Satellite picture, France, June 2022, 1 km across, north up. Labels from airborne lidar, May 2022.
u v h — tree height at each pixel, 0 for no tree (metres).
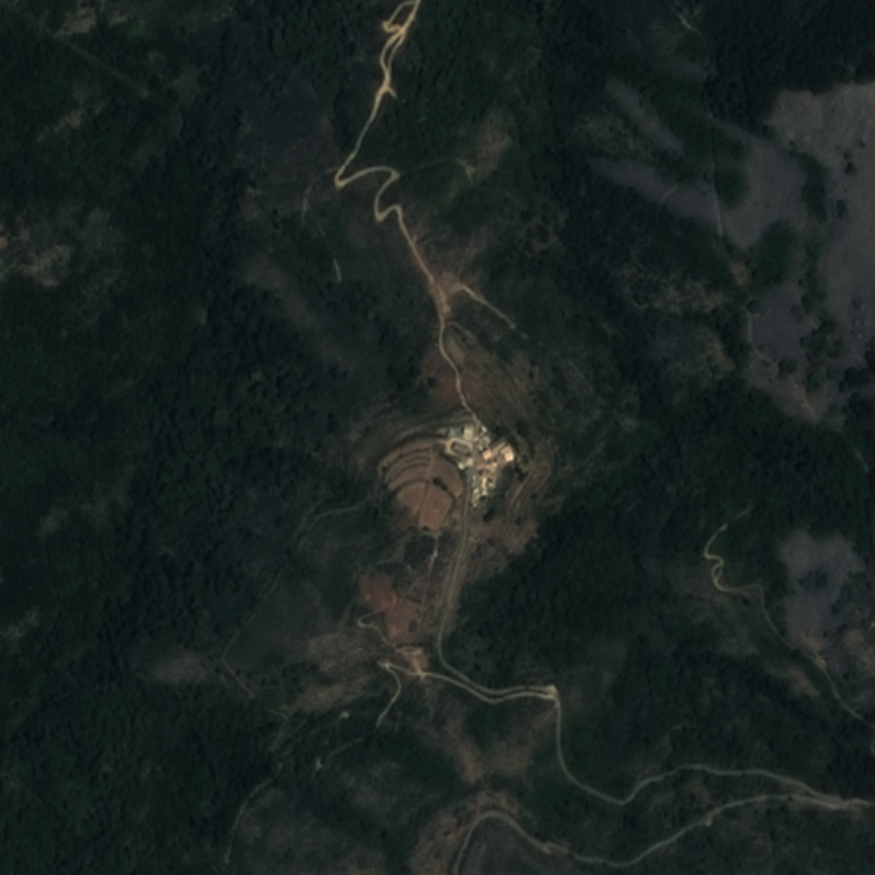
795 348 0
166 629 14
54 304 13
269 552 0
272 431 12
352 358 0
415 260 0
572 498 9
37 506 10
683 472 15
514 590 6
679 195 0
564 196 14
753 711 9
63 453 15
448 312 0
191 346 8
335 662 0
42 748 17
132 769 13
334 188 0
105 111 9
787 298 0
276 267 0
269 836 0
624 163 0
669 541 8
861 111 0
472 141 0
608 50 6
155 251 11
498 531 0
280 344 6
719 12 15
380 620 0
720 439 8
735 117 14
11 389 13
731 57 22
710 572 0
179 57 8
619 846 8
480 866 0
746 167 0
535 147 14
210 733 10
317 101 0
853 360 0
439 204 0
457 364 0
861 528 9
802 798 0
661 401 16
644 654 10
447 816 0
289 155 0
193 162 19
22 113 16
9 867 17
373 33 0
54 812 8
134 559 22
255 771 10
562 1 11
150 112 16
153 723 11
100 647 18
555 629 9
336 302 17
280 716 7
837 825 6
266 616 0
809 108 0
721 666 15
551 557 15
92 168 21
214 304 14
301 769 11
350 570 0
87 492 12
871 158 0
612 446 10
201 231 19
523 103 14
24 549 14
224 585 11
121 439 10
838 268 0
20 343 15
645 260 6
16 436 14
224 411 14
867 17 15
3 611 14
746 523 8
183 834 22
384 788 0
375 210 0
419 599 0
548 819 8
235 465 14
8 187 13
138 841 13
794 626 0
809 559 0
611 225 7
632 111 0
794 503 10
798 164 0
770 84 10
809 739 8
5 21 12
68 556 11
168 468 16
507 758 0
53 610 12
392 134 10
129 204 8
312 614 0
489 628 18
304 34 14
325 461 6
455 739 0
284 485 8
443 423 0
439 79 14
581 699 0
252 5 7
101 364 15
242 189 15
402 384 9
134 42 12
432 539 0
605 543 12
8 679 8
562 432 0
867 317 0
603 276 14
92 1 8
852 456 7
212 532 7
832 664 0
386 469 6
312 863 0
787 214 0
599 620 9
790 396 0
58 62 17
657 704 8
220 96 14
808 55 19
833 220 0
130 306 13
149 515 10
